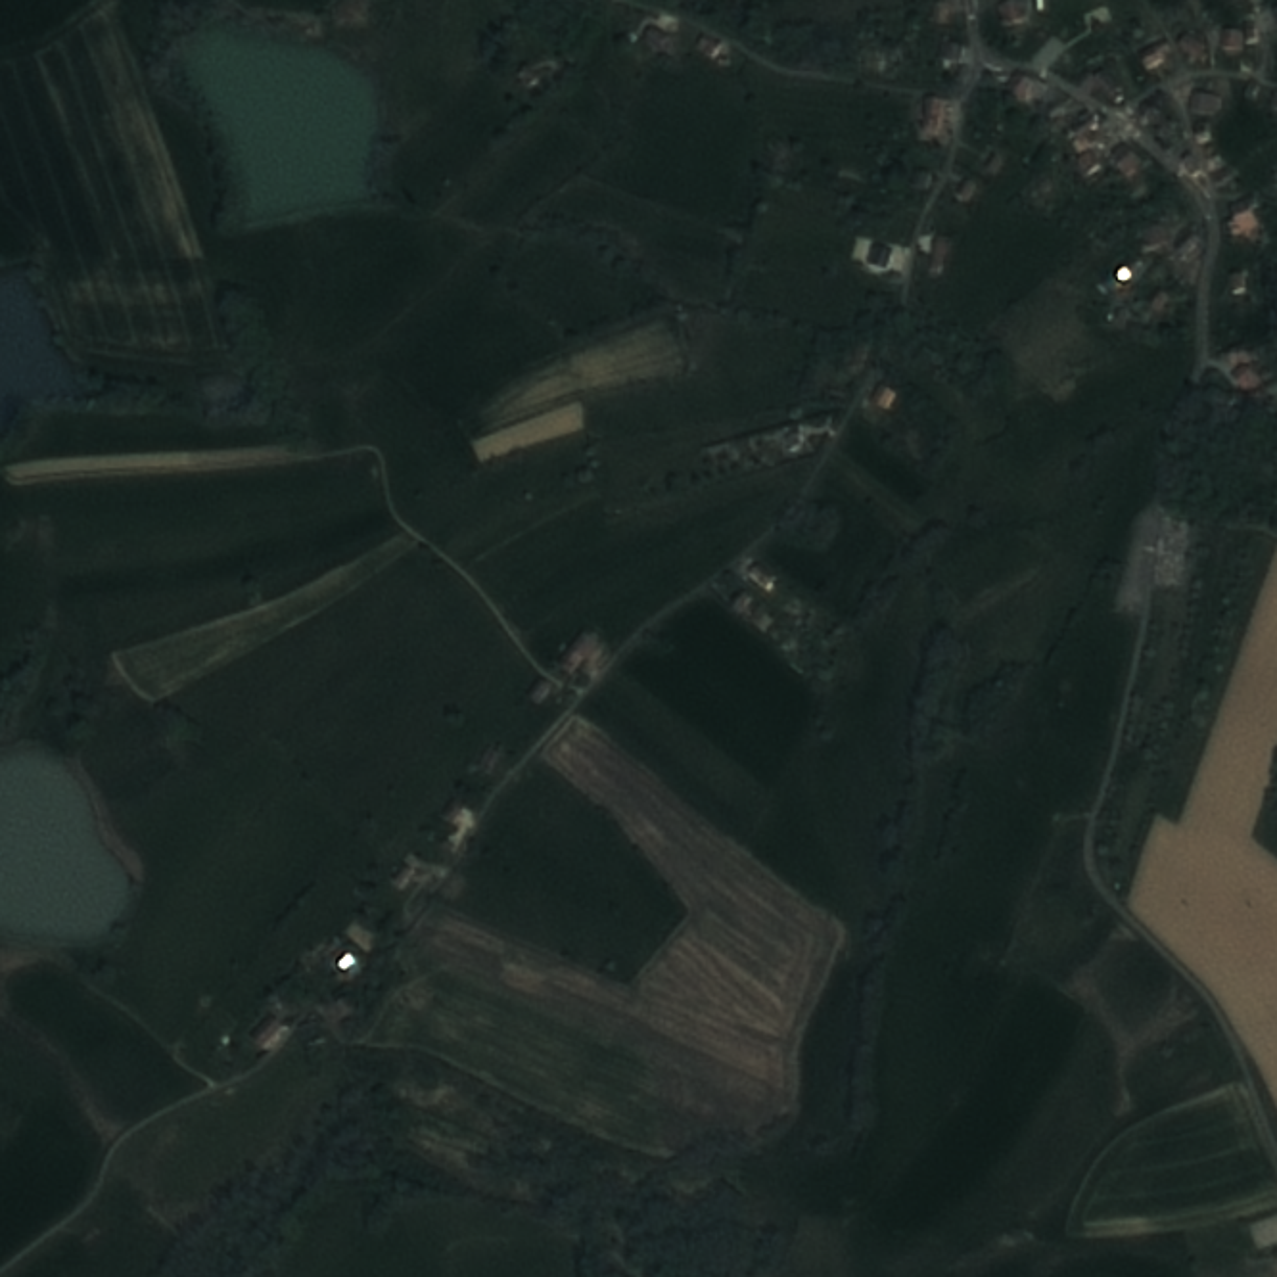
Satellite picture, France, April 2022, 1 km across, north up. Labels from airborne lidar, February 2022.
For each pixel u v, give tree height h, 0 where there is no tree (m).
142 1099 0
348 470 0
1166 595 0
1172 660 0
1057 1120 0
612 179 0
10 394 0
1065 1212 0
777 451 0
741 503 0
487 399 0
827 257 0
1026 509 0
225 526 0
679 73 0
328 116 0
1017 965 0
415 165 0
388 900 0
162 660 0
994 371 15
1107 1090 0
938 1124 0
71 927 0
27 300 0
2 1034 0
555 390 0
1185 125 0
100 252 0
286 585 0
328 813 0
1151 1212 0
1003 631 0
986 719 10
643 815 0
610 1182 15
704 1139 0
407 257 0
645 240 0
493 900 0
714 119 0
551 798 0
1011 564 0
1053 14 0
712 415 0
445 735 0
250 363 25
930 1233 0
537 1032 0
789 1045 0
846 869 0
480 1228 0
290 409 25
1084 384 0
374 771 0
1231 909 0
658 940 0
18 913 0
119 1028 0
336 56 0
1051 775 0
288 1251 18
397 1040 0
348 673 0
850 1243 0
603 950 0
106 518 0
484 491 0
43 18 0
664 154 0
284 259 0
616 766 0
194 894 0
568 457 0
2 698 17
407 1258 0
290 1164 15
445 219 0
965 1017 0
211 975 0
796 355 0
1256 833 0
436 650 0
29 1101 0
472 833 0
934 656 23
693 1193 0
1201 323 0
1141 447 0
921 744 13
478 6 0
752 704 0
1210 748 0
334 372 0
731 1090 0
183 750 0
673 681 0
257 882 0
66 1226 0
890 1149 0
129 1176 0
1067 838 0
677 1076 0
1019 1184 0
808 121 0
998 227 0
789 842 0
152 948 0
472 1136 0
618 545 0
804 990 0
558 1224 21
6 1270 0
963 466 0
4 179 0
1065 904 0
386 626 0
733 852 0
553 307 0
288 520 0
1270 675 0
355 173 0
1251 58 0
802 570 0
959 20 0
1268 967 0
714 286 0
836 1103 0
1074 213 14
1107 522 0
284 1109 0
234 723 0
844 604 0
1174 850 0
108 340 0
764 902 0
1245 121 0
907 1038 0
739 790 0
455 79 0
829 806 0
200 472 0
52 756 0
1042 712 0
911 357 11
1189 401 16
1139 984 0
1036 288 0
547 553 0
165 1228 0
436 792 0
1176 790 0
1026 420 0
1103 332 0
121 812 0
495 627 0
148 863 0
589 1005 0
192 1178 0
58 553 0
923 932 0
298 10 0
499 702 0
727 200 0
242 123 0
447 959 0
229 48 0
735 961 0
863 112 0
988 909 0
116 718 0
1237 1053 0
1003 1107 0
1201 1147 0
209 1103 0
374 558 0
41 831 0
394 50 0
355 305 0
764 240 0
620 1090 0
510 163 0
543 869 0
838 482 0
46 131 0
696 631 0
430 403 0
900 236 0
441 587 0
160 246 0
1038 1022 0
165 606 0
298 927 0
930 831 0
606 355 0
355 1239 0
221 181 14
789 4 0
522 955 0
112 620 0
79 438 0
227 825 0
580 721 0
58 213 0
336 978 6
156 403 15
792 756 0
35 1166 0
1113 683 0
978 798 0
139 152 0
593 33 17
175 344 0
